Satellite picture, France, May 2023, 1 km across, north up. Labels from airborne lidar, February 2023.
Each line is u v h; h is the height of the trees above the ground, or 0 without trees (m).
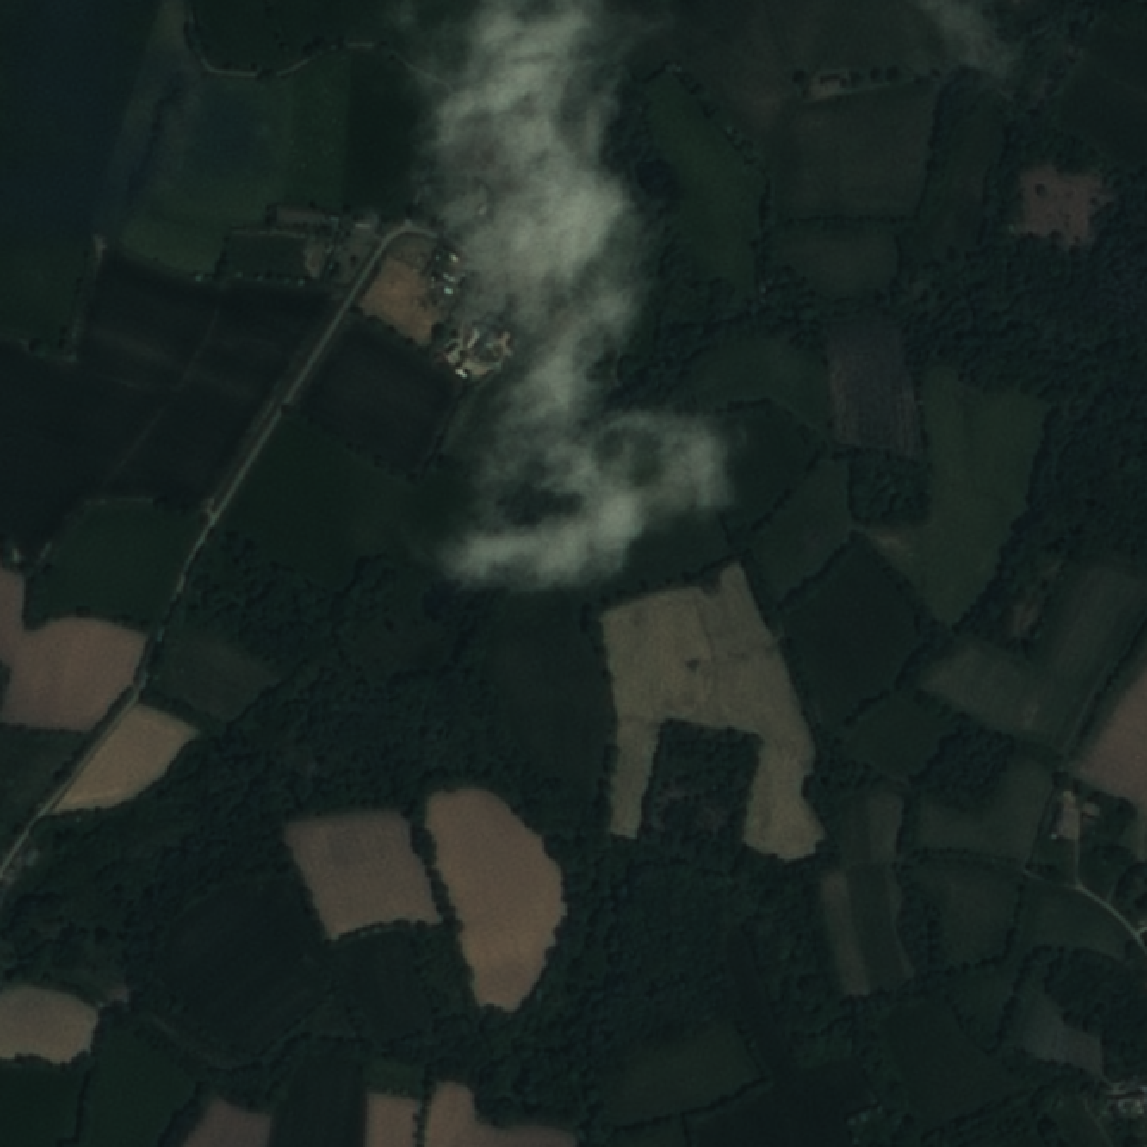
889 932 0
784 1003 18
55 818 6
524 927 0
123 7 0
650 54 0
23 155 0
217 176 0
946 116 17
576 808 17
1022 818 0
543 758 0
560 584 0
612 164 17
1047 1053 0
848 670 0
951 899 0
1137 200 15
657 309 6
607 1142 6
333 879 0
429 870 7
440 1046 11
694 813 12
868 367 0
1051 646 0
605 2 0
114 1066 0
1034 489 15
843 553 9
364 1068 8
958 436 0
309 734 14
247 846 15
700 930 17
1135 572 0
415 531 0
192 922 0
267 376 0
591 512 0
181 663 0
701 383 0
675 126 0
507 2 18
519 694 0
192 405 0
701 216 0
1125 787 0
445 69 0
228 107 0
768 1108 0
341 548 0
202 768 11
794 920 8
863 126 0
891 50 0
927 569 0
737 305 9
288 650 19
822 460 11
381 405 0
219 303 0
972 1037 12
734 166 0
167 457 0
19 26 0
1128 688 0
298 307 0
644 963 23
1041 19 6
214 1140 0
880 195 0
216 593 10
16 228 0
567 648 0
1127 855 10
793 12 0
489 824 0
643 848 10
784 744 0
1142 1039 13
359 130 0
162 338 0
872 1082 9
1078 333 14
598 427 19
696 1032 20
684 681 0
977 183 0
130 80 0
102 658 0
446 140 0
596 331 8
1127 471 23
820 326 18
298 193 0
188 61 0
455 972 7
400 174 0
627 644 0
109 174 0
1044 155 15
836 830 12
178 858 15
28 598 10
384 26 0
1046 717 0
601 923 19
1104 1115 0
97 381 0
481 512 0
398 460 0
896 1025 0
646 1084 0
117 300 0
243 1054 6
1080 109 0
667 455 0
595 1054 20
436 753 9
